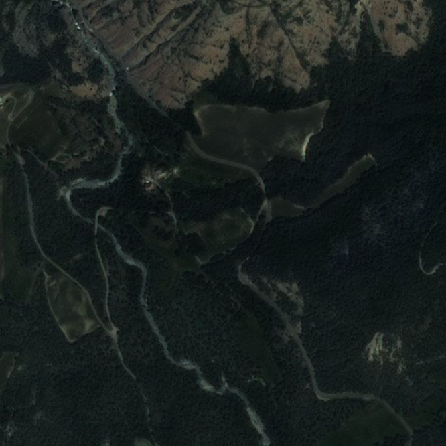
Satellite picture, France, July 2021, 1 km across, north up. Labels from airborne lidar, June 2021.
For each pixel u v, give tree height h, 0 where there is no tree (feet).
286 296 22
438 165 19
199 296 38
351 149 42
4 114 0
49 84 0
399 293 31
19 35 0
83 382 32
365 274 43
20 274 0
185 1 0
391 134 55
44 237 29
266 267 33
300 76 0
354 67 35
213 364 28
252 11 0
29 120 0
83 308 0
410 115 51
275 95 26
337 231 55
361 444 0
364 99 54
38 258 33
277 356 28
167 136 48
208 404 47
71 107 35
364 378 31
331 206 62
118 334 32
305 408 21
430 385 19
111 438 42
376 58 24
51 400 20
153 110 38
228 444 31
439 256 26
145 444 0
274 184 48
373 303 41
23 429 18
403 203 25
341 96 45
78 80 23
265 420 28
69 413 22
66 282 0
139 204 54
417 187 28
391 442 43
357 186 37
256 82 23
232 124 0
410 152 72
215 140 0
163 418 25
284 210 0
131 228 46
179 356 68
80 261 19
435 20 24
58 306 0
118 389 31
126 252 47
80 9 0
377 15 0
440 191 31
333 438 0
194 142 0
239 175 0
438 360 26
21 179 29
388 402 24
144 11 0
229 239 0
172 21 0
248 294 53
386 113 37
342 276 36
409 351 19
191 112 33
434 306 19
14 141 0
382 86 40
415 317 25
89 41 0
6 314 0
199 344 46
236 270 33
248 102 42
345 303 31
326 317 23
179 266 0
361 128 52
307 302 26
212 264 45
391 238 27
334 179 46
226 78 30
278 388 30
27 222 22
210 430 33
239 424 52
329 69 28
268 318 19
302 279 31
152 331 24
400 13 0
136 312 35
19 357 25
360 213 33
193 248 50
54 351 32
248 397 27
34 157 34
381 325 25
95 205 23
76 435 23
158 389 43
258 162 0
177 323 21
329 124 47
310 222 63
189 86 0
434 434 56
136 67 0
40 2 18
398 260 37
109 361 28
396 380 27
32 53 0
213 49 0
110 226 36
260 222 30
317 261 49
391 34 0
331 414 22
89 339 18
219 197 24
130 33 0
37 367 25
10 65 19
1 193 0
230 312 39
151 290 47
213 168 0
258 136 0
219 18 0
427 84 55
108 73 27
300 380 28
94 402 24
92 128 28
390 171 64
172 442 22
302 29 0
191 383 52
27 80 39
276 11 25
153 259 48
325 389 28
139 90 0
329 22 0
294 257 66
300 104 28
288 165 47
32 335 27
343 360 20
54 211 31
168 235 40
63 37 18
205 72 0
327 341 34
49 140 0
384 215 33
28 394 37
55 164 31
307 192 48
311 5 0
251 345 0
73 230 25
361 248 35
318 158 41
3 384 0
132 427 22
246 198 43
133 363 22
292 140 0
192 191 29
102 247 31
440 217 41
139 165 51
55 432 25
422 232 30
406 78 52
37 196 33
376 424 0
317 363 22
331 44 22
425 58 46
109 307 23
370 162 0
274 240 74
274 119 0
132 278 25
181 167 0
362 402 35
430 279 25
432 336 24
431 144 51
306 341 27
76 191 28
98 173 71
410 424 0
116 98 21
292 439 55
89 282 31
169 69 0
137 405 41
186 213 37
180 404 40
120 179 25
